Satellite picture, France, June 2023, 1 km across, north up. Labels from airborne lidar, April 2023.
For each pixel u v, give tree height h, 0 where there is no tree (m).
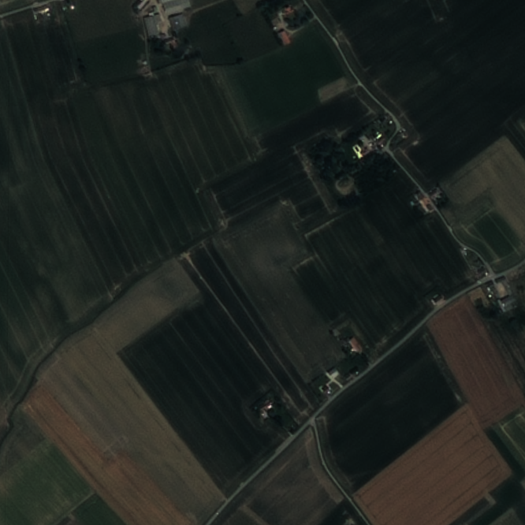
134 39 0
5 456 0
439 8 0
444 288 0
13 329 0
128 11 0
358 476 0
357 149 0
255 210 0
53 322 0
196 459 0
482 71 0
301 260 0
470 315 0
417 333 0
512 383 0
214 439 0
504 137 0
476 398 0
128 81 0
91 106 0
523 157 0
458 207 0
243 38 0
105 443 0
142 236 0
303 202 0
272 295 0
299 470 0
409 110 0
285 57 0
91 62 0
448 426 0
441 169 0
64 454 0
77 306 0
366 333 0
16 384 0
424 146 0
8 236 0
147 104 0
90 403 0
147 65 0
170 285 0
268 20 12
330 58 0
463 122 0
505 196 0
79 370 0
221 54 0
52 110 0
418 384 0
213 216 0
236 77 0
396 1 0
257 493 0
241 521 0
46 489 0
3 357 0
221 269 0
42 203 0
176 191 0
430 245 0
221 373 0
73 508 0
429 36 0
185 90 0
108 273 0
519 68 0
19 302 0
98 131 0
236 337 0
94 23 0
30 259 0
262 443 0
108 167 0
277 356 0
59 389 0
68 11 0
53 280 0
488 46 0
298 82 0
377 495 0
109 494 0
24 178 0
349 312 0
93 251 0
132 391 0
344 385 0
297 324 0
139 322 0
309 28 0
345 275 0
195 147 0
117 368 0
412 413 0
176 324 0
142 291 0
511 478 0
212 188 0
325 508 0
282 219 0
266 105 0
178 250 0
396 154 0
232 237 0
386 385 0
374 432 0
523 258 0
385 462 0
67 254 0
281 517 0
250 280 0
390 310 0
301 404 0
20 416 0
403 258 0
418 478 0
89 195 0
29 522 0
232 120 0
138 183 0
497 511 0
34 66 0
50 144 0
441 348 0
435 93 0
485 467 0
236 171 0
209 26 0
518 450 0
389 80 0
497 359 0
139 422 0
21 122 0
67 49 0
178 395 0
